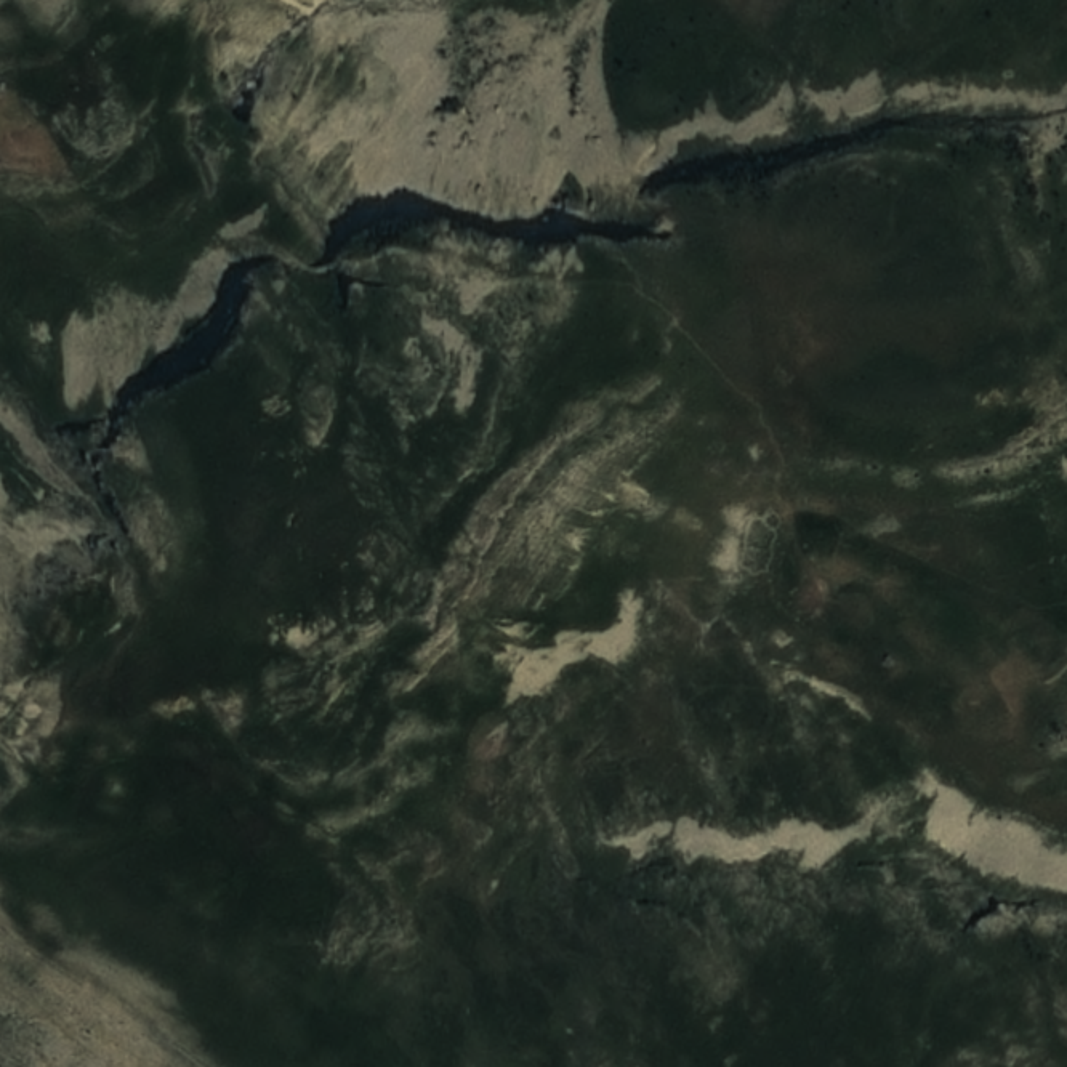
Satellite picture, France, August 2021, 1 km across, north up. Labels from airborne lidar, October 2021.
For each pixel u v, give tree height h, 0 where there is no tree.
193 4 0
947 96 0
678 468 0
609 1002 0
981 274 0
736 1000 0
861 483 0
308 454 0
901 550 0
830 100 0
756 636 0
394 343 0
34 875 0
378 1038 0
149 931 0
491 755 0
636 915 0
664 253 0
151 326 0
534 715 0
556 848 0
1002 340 0
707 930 0
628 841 0
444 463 0
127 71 0
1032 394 0
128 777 0
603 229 0
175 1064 0
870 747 0
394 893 0
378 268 0
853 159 0
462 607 0
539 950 0
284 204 0
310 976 0
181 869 0
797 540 0
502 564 0
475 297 0
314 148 0
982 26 0
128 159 0
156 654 0
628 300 0
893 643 0
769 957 0
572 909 0
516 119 0
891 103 0
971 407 0
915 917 0
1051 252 0
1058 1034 0
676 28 0
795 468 0
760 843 0
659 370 0
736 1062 0
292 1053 0
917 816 0
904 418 0
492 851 0
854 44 0
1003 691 0
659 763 0
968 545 0
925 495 0
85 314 0
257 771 0
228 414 0
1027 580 0
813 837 0
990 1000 0
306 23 0
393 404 0
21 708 0
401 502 0
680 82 0
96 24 0
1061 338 0
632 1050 0
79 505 0
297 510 0
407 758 0
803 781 0
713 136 0
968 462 0
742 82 0
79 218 0
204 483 0
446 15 0
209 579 0
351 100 0
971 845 0
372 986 0
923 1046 0
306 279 0
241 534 0
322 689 0
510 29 0
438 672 0
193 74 0
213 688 0
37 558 0
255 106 0
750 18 0
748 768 0
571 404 0
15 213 0
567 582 0
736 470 0
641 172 0
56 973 0
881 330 0
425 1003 0
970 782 0
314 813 0
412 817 0
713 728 0
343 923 0
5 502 0
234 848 0
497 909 0
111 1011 0
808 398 0
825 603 0
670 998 0
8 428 0
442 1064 0
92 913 0
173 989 0
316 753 0
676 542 0
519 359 0
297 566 0
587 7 0
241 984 0
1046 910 0
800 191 0
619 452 0
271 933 0
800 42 0
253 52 0
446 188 0
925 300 0
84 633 0
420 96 0
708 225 0
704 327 0
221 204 0
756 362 0
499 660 0
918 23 0
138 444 0
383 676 0
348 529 0
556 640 0
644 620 0
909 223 0
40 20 0
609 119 0
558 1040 0
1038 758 0
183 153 0
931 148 0
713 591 0
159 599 0
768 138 0
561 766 0
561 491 0
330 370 0
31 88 0
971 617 0
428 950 0
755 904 0
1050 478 0
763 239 0
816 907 0
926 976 0
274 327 0
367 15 0
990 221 0
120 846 0
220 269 0
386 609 0
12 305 0
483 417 0
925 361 0
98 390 0
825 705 0
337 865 0
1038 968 0
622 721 0
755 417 0
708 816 0
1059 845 0
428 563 0
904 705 0
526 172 0
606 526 0
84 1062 0
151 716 0
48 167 0
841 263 0
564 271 0
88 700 0
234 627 0
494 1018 0
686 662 0
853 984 0
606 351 0
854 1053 0
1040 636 0
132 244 0
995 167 0
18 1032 0
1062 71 0
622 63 10
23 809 0
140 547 0
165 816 0
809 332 0
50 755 0
